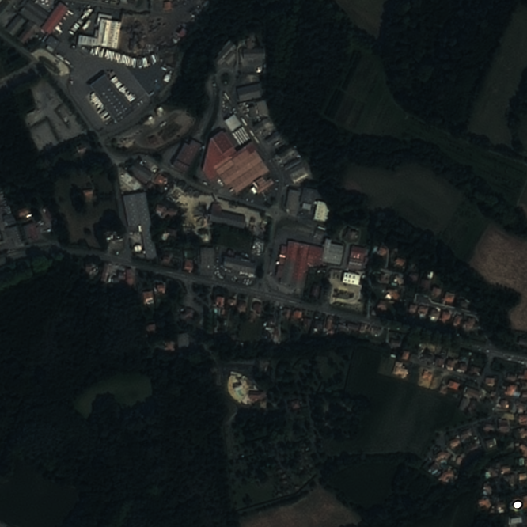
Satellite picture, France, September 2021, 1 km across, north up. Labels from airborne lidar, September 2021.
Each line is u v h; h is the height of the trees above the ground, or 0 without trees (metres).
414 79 12
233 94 0
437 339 29
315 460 15
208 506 7
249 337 0
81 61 0
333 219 23
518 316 0
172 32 0
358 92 0
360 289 0
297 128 18
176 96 10
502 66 0
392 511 18
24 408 15
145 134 0
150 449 31
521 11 0
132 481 24
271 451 11
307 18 18
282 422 17
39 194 16
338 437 20
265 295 0
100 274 7
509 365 0
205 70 13
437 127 15
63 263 24
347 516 0
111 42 0
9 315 15
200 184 0
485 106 0
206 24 16
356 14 0
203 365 24
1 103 18
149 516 27
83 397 0
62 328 13
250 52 0
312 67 16
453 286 16
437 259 12
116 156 0
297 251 0
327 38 16
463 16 25
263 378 13
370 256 6
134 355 24
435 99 13
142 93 0
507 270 0
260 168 0
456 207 0
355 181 0
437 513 21
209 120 0
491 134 0
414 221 0
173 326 23
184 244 25
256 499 0
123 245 0
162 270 0
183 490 8
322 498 0
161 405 15
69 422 20
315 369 9
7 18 0
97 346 22
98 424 20
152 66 0
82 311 19
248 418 15
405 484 15
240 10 23
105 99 0
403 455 6
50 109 0
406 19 25
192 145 0
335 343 18
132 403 0
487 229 0
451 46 31
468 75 16
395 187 0
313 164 11
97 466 31
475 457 20
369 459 7
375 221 32
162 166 0
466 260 0
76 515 16
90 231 7
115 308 24
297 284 0
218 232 10
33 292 15
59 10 0
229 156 0
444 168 12
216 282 0
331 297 0
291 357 10
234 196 0
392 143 19
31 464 18
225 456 11
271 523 0
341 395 10
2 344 15
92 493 21
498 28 31
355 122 0
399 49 29
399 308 18
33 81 22
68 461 24
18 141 18
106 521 28
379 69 0
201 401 16
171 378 19
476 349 0
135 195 0
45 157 12
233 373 0
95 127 0
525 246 0
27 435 23
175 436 15
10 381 17
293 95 15
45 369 8
